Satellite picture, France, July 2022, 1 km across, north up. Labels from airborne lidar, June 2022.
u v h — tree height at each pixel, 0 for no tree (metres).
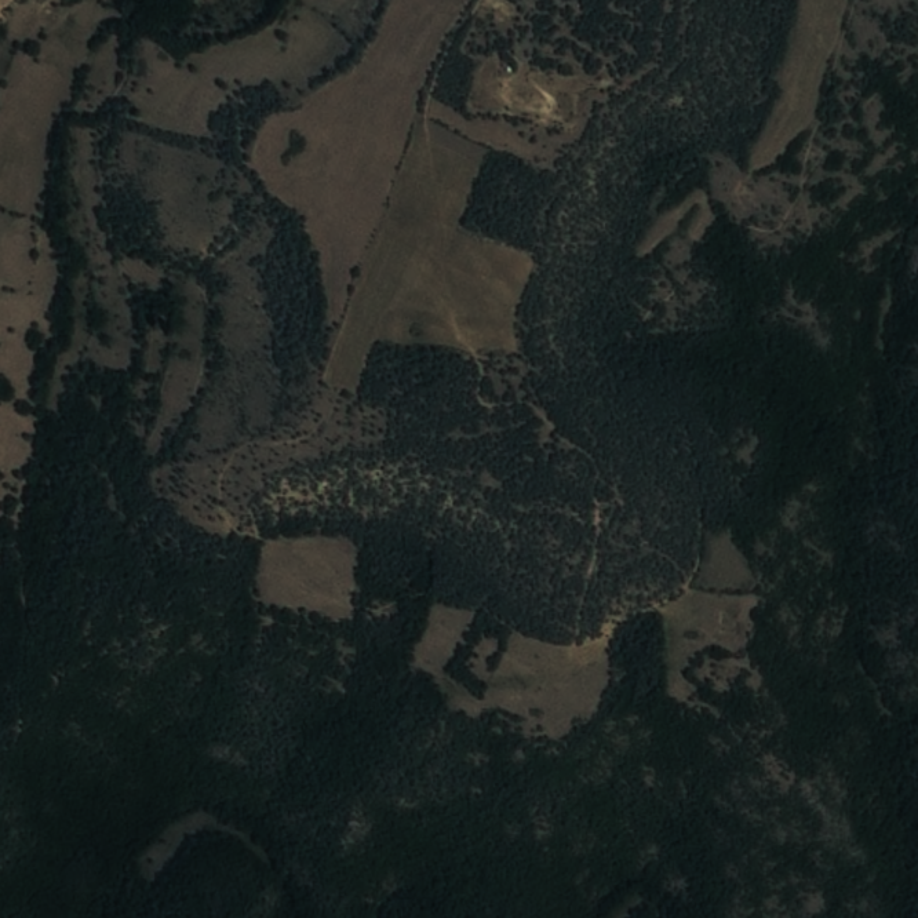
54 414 12
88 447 14
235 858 14
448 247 0
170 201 0
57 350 24
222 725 10
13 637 10
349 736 17
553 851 9
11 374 0
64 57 0
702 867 11
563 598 7
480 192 11
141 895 9
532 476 8
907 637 8
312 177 0
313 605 0
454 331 0
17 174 0
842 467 13
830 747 8
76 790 11
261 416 0
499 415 8
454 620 0
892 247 10
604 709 9
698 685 12
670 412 11
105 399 10
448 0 0
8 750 8
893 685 7
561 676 0
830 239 10
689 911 14
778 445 13
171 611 11
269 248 8
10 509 20
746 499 12
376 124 0
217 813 15
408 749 10
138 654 13
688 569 8
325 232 0
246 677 9
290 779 14
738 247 14
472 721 9
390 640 12
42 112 0
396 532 11
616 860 15
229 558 16
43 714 8
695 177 14
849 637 15
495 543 7
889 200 9
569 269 8
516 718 10
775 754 5
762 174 7
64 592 11
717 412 14
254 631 11
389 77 0
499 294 0
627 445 8
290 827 7
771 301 7
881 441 15
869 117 0
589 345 9
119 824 12
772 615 7
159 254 6
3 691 6
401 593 10
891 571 7
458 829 12
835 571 12
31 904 17
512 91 0
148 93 6
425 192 0
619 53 7
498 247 0
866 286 10
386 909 20
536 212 8
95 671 9
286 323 7
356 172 0
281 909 10
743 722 8
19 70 0
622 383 14
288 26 0
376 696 19
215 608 12
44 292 0
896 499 13
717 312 11
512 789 14
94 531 13
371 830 8
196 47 13
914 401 10
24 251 0
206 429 0
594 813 17
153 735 11
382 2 9
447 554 12
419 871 9
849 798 8
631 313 9
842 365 12
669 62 8
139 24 17
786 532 7
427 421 8
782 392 21
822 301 9
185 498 16
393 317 0
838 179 7
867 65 10
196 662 7
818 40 0
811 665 7
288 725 14
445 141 0
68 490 13
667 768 10
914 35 7
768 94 8
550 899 7
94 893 20
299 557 0
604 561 7
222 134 7
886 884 14
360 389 10
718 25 6
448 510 7
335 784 13
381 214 0
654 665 20
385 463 7
